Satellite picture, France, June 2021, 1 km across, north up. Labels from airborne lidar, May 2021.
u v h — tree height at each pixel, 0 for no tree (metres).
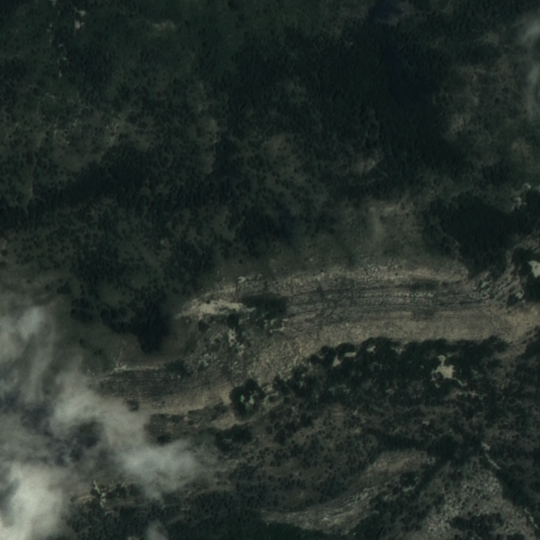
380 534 13
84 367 0
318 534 7
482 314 0
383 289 0
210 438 11
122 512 11
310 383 13
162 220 7
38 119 0
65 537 8
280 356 0
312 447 6
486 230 16
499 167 13
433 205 12
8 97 7
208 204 8
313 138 6
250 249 9
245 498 14
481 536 17
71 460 12
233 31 0
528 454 6
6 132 0
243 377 0
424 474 7
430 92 16
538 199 12
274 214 0
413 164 12
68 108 6
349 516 0
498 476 11
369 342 11
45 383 0
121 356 0
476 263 9
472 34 7
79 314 13
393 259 0
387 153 12
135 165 10
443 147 19
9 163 7
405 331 0
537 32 7
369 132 9
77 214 8
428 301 0
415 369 8
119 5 8
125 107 0
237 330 9
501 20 9
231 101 8
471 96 0
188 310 0
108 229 6
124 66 7
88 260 8
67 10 9
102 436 9
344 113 12
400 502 11
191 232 0
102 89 7
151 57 7
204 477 0
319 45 10
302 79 9
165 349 0
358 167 0
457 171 12
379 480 0
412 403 9
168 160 7
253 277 0
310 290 0
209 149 6
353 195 9
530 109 0
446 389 7
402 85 18
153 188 12
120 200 11
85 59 8
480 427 6
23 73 6
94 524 10
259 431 0
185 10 0
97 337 0
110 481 0
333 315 0
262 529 8
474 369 6
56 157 0
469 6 12
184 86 6
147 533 16
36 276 0
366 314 0
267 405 0
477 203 14
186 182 8
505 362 0
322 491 7
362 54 14
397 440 12
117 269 10
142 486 7
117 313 14
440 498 6
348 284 0
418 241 0
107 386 0
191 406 0
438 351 10
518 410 6
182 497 0
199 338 0
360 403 7
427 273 0
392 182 11
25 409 0
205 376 0
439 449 11
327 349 9
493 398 7
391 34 14
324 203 8
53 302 0
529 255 17
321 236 0
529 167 0
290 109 10
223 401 0
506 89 9
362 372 6
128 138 5
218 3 0
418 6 6
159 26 0
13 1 11
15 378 0
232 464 0
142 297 6
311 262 0
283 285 0
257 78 11
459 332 0
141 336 11
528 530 0
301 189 8
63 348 0
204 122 0
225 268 0
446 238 12
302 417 9
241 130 8
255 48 8
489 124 8
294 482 10
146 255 0
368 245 0
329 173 6
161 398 0
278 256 0
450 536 0
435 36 8
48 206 9
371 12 7
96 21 7
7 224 9
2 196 7
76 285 0
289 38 9
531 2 12
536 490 7
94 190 18
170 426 0
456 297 0
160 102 7
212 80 6
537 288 13
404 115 16
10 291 0
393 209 0
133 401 0
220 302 0
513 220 14
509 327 0
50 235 6
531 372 7
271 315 12
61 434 0
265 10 6
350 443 8
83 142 0
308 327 0
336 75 10
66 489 0
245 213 12
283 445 6
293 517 0
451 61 8
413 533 0
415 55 18
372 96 14
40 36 6
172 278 6
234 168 10
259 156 9
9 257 0
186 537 8
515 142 0
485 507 0
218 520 7
